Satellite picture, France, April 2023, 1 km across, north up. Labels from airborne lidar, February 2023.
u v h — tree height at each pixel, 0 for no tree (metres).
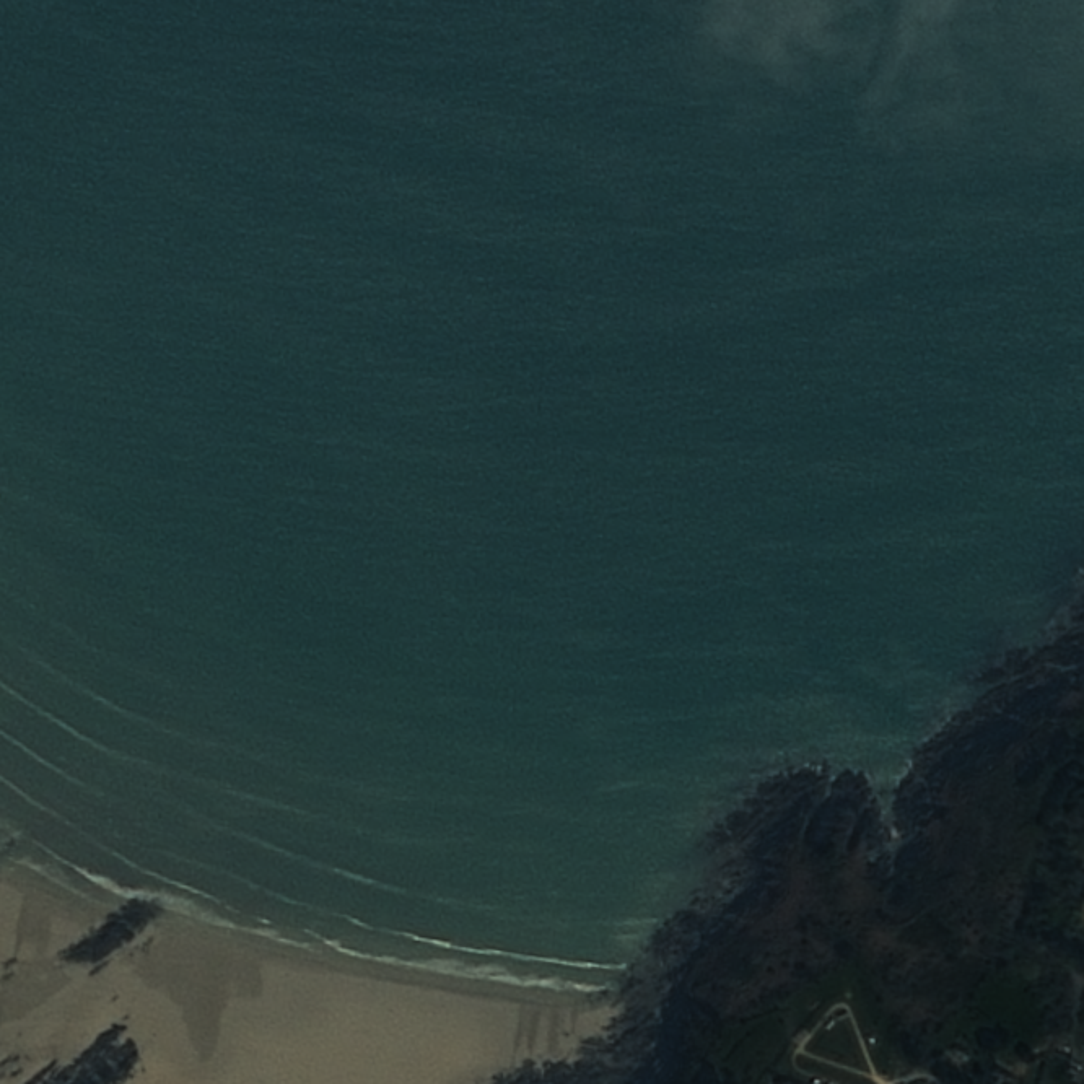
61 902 0
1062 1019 7
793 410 0
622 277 0
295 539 0
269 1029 0
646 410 0
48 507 0
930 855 0
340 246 0
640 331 0
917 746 0
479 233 0
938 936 0
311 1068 0
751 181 0
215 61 0
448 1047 0
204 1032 0
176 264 0
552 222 0
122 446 0
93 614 0
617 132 0
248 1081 0
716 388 0
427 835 0
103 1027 0
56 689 0
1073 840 10
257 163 0
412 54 0
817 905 0
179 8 0
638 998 0
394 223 0
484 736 0
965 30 0
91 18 0
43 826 0
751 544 0
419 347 0
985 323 0
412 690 0
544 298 0
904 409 0
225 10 0
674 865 0
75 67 0
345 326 0
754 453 0
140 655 0
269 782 0
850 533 0
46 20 0
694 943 0
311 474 0
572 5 0
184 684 0
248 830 0
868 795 0
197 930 0
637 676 0
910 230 0
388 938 0
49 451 0
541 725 0
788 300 0
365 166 0
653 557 0
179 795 0
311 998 0
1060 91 0
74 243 0
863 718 0
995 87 0
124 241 0
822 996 0
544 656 0
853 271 0
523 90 0
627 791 0
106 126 0
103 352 0
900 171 0
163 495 0
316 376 0
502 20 0
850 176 0
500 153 0
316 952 0
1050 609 0
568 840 0
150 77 0
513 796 0
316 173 0
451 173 0
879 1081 0
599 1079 0
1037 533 0
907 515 0
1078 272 0
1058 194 0
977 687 0
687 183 0
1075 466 0
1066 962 13
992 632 0
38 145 0
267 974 0
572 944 0
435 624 0
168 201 0
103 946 0
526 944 0
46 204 0
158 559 0
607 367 0
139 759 0
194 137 0
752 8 0
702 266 0
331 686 0
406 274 0
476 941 0
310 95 0
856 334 0
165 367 0
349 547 0
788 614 0
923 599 0
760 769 0
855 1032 0
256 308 0
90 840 0
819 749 0
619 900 0
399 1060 0
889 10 0
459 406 0
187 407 0
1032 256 0
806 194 0
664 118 0
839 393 0
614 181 0
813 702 0
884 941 0
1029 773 13
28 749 0
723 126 0
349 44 0
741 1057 0
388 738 0
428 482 0
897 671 0
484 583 0
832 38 0
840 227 0
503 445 0
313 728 0
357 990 0
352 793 0
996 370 0
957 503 0
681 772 0
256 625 0
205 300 0
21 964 0
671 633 0
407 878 0
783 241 0
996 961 6
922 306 0
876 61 0
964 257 0
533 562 0
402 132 0
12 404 0
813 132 0
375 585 0
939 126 0
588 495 0
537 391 0
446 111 0
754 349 0
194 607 0
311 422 0
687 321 0
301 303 0
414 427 0
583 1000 0
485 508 0
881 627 0
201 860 0
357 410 0
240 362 0
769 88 0
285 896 0
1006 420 0
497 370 0
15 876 0
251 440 0
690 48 0
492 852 0
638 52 0
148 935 0
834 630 0
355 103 0
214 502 0
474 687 0
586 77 0
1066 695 0
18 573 0
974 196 0
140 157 0
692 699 0
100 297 0
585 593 0
